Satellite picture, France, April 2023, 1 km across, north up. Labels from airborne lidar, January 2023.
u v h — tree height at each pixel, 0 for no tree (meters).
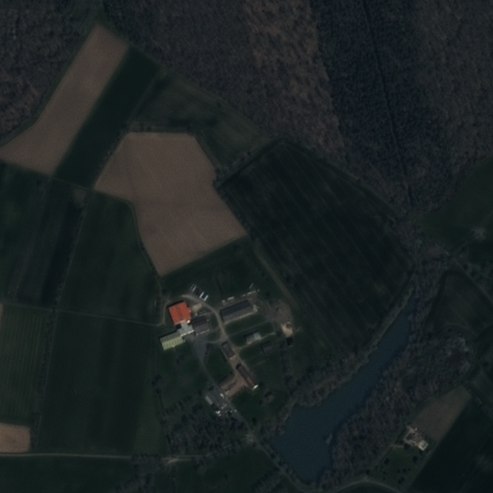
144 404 0
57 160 0
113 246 0
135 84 0
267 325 0
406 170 26
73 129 0
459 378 13
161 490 0
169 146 0
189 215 0
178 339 0
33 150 0
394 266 0
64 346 0
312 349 0
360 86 28
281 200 0
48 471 0
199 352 0
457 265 13
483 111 19
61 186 0
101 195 0
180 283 0
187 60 19
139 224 0
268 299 15
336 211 0
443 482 0
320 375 23
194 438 28
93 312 0
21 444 0
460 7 24
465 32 22
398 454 0
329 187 0
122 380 0
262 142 0
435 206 25
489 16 22
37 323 0
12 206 0
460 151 23
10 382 0
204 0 19
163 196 0
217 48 22
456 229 0
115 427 0
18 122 10
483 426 0
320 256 0
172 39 21
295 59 23
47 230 0
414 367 5
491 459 0
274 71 21
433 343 19
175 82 0
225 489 0
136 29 15
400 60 19
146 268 0
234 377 0
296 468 0
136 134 0
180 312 0
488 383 0
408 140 22
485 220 0
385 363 0
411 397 21
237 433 26
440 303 0
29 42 15
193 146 0
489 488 0
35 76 21
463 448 0
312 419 0
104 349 0
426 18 26
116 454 0
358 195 0
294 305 0
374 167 22
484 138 18
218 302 0
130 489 15
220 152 0
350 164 23
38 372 0
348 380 21
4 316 0
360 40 22
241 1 23
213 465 17
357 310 0
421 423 0
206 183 0
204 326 0
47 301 0
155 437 0
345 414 0
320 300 0
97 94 0
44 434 0
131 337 0
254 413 0
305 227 0
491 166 0
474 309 0
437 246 17
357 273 0
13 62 19
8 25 7
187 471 0
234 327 0
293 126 23
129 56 0
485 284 18
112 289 0
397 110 28
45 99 14
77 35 17
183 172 0
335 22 26
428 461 0
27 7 6
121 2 24
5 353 0
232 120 0
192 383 0
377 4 22
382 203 0
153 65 0
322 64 24
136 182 0
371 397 17
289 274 0
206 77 19
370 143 20
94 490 0
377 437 24
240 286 0
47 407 0
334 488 20
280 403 0
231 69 24
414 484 0
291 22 26
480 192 0
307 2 22
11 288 0
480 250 0
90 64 0
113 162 0
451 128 26
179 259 0
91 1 9
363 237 0
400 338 0
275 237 0
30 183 0
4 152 0
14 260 0
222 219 0
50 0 19
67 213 0
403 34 22
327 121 21
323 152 19
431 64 19
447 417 0
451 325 0
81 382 0
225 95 17
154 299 0
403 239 22
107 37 0
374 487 0
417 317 18
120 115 0
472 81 19
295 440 0
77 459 0
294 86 22
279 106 24
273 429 13
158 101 0
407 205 13
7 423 0
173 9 23
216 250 0
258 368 0
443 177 21
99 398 0
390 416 29
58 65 9
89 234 0
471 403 0
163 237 0
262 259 0
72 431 0
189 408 16
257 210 0
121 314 0
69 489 0
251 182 0
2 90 26
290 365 17
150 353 0
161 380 15
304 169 0
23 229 0
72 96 0
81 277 0
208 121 0
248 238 0
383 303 0
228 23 22
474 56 28
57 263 0
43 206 0
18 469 0
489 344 0
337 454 24
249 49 22
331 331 0
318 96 22
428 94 21
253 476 0
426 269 20
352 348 0
